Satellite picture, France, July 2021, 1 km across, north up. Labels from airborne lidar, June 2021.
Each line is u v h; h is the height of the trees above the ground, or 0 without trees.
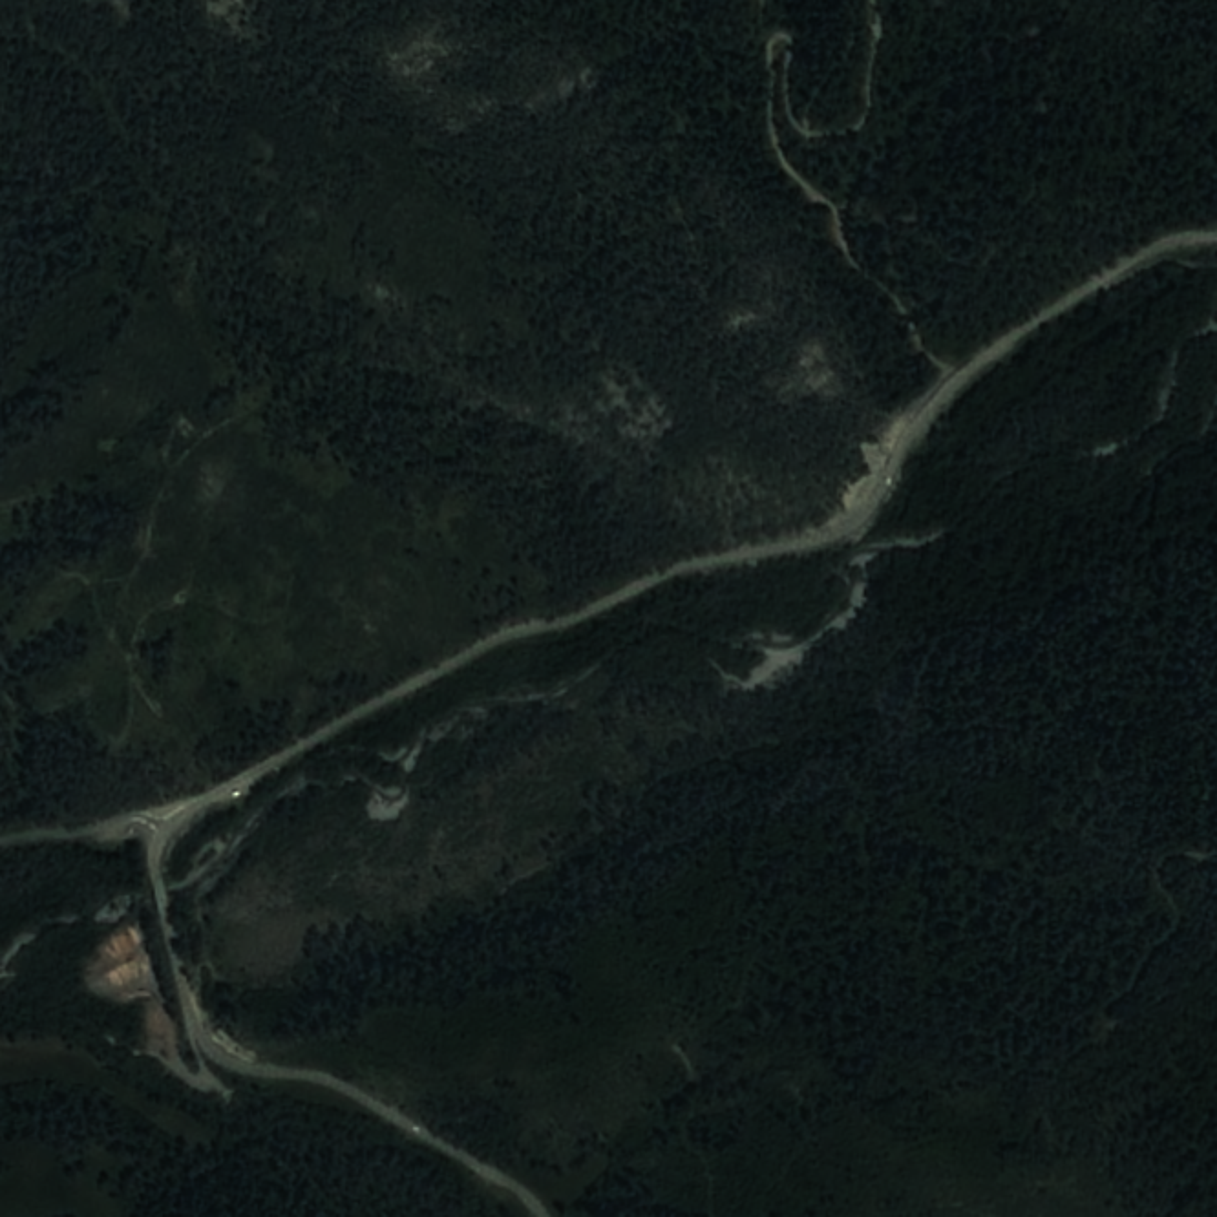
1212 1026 11
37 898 9
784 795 13
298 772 6
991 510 10
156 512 0
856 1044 12
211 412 9
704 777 7
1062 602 14
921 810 6
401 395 10
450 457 18
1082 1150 11
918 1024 11
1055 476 10
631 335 11
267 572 0
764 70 12
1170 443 10
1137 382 15
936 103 7
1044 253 7
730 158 12
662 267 13
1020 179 7
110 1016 9
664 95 16
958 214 7
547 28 9
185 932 24
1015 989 12
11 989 6
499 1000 7
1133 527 13
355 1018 10
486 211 15
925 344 9
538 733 15
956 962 11
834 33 14
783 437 9
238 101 8
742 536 7
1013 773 20
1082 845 13
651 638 10
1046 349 13
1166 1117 29
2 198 10
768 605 13
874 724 15
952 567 14
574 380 9
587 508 8
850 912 7
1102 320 18
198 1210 16
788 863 12
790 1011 22
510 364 11
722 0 7
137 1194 7
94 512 20
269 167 8
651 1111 10
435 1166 7
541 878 6
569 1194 0
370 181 8
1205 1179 19
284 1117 14
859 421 7
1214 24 16
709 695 14
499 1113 16
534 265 7
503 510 12
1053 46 12
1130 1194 20
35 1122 8
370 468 18
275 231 10
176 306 0
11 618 12
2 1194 0
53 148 10
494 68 8
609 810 18
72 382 7
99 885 11
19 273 8
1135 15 12
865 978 15
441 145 8
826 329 10
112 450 6
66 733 12
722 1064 8
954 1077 6
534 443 18
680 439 12
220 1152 18
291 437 19
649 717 14
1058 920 10
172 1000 24
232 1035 10
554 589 13
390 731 7
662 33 9
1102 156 6
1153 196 13
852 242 20
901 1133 13
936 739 10
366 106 16
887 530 10
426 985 14
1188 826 11
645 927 8
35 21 7
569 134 7
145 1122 7
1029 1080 14
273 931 0
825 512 8
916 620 12
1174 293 16
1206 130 26
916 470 10
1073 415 15
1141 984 9
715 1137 10
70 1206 0
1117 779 15
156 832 0
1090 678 10
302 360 10
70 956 8
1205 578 20
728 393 10
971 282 8
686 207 11
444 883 14
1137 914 21
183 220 14
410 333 9
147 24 9
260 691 0
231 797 0
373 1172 16
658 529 14
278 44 13
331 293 16
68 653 15
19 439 13
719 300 12
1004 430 13
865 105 9
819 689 10
